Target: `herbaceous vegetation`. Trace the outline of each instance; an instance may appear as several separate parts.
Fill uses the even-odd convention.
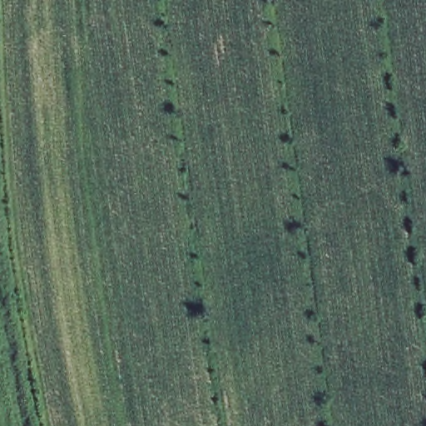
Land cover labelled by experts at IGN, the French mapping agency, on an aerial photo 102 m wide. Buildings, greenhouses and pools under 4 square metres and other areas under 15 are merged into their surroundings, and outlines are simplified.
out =
[[[38,354],[35,353],[35,338],[28,311],[23,245],[13,183],[3,0],[0,0],[0,426],[47,426],[50,423],[50,413],[45,398],[42,366]]]
[[[223,426],[226,423],[226,414],[220,383],[220,363],[216,356],[215,331],[213,324],[203,321],[205,334],[201,343],[205,349],[206,364],[210,373],[213,394],[211,399],[215,403],[211,411],[220,426]]]

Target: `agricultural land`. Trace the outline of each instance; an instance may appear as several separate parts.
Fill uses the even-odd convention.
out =
[[[426,426],[426,0],[3,0],[13,183],[23,245],[28,311],[35,338],[35,353],[38,354],[42,366],[45,398],[50,413],[50,423],[47,426],[220,426],[211,411],[215,403],[211,399],[213,394],[210,373],[206,364],[205,349],[201,343],[205,334],[203,321],[213,324],[215,331],[216,356],[220,363],[220,383],[226,414],[226,423],[223,426]]]

